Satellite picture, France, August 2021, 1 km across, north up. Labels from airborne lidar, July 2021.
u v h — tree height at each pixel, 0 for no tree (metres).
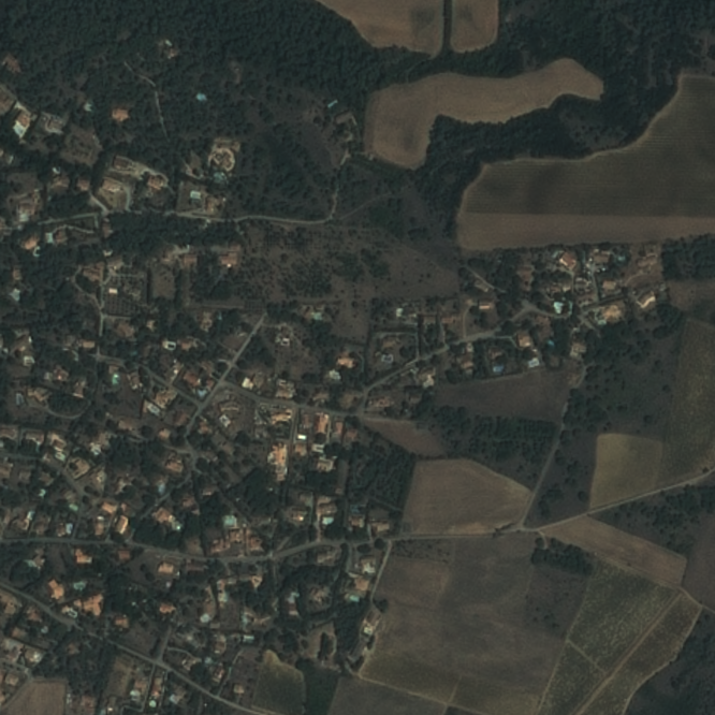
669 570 0
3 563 11
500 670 0
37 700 0
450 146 5
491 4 0
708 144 0
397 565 0
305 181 9
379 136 0
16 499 10
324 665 0
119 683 0
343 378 10
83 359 13
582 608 0
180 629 8
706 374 0
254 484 13
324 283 6
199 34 18
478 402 0
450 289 0
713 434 0
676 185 0
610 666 0
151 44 14
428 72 6
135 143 8
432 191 8
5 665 6
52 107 10
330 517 0
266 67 7
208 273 8
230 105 9
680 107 0
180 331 11
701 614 0
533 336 12
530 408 0
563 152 7
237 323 8
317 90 12
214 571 8
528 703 0
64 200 12
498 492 0
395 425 0
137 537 9
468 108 0
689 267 6
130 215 14
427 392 7
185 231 12
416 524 0
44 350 12
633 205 0
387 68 8
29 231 10
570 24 7
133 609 13
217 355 12
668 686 0
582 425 6
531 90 0
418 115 0
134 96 11
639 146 0
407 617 0
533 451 9
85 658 10
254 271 6
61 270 12
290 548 0
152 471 11
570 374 0
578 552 11
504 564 0
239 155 0
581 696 0
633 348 10
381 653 0
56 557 0
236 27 14
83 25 16
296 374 0
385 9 0
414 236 10
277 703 0
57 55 11
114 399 10
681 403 0
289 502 10
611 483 0
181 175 9
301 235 6
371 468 14
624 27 8
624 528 0
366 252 8
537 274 6
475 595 0
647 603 0
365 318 0
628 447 0
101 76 14
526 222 0
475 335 0
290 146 8
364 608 13
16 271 0
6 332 9
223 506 10
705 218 0
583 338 10
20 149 9
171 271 6
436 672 0
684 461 0
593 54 10
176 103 10
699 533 0
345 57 14
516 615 0
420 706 0
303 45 18
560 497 10
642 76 9
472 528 0
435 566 0
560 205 0
